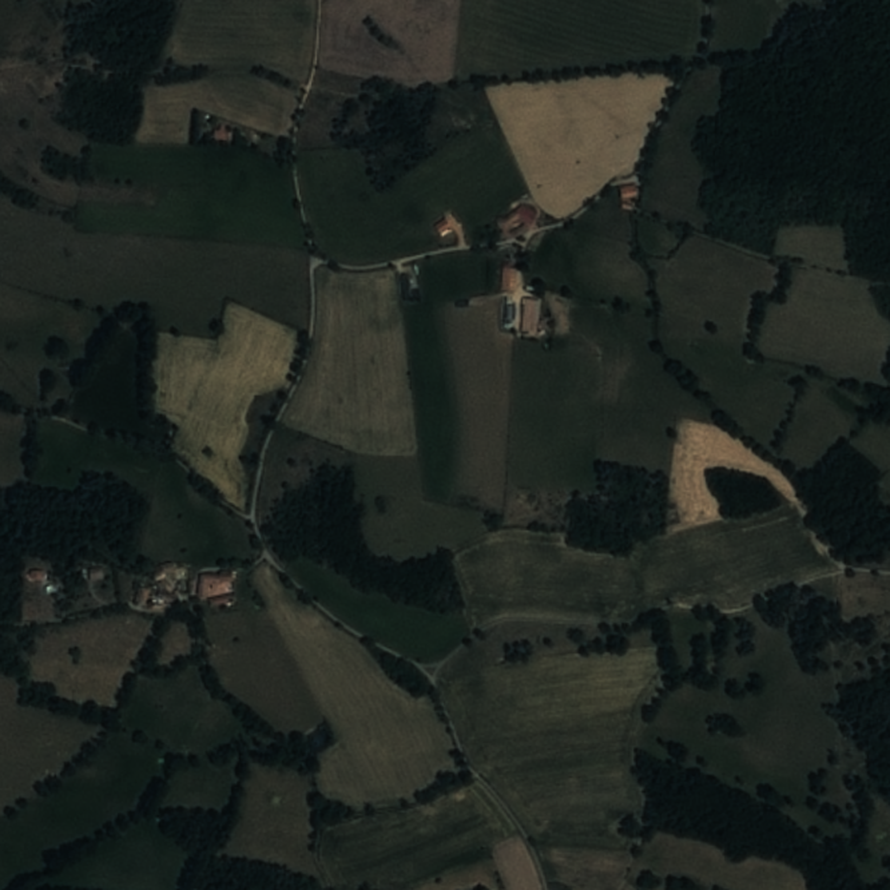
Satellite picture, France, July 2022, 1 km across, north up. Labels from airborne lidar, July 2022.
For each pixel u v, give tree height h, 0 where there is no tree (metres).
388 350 0
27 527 8
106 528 7
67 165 7
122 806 0
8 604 9
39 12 0
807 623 12
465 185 0
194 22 0
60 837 0
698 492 0
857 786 16
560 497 0
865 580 0
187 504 0
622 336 0
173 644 0
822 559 0
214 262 0
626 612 0
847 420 0
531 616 0
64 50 8
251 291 0
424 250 0
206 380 0
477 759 0
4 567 14
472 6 0
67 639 0
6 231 0
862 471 16
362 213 0
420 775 0
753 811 24
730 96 12
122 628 0
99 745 18
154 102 0
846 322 0
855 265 8
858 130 13
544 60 0
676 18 0
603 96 0
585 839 0
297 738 15
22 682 14
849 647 0
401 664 11
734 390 0
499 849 0
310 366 0
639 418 0
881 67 9
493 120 0
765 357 12
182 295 0
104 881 0
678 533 0
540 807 0
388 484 0
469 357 0
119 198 0
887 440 0
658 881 14
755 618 0
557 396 0
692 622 0
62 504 11
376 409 0
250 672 0
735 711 0
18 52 0
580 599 0
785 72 14
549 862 0
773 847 16
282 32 0
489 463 0
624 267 0
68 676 0
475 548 0
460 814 0
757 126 13
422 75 0
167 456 16
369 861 0
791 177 11
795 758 0
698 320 0
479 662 0
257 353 0
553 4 0
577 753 0
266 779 0
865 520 15
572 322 0
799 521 0
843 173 10
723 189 11
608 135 0
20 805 13
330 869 0
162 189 0
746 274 0
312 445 0
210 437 0
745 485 16
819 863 13
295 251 0
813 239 0
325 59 0
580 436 0
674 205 0
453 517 0
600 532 10
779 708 0
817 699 0
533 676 0
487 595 0
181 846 12
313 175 0
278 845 0
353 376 0
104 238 0
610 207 0
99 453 0
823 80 12
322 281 0
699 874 0
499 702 0
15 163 0
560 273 0
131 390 0
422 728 0
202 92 0
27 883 22
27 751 0
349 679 0
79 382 22
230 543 0
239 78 0
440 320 0
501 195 0
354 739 0
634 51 0
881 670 12
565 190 0
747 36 0
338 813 8
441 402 0
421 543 0
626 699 0
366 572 10
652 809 10
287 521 8
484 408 0
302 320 0
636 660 0
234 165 0
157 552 0
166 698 0
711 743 0
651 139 14
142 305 8
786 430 13
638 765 8
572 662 0
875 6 14
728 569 0
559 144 0
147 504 15
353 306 0
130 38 12
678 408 0
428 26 0
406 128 12
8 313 0
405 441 0
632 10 0
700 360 0
